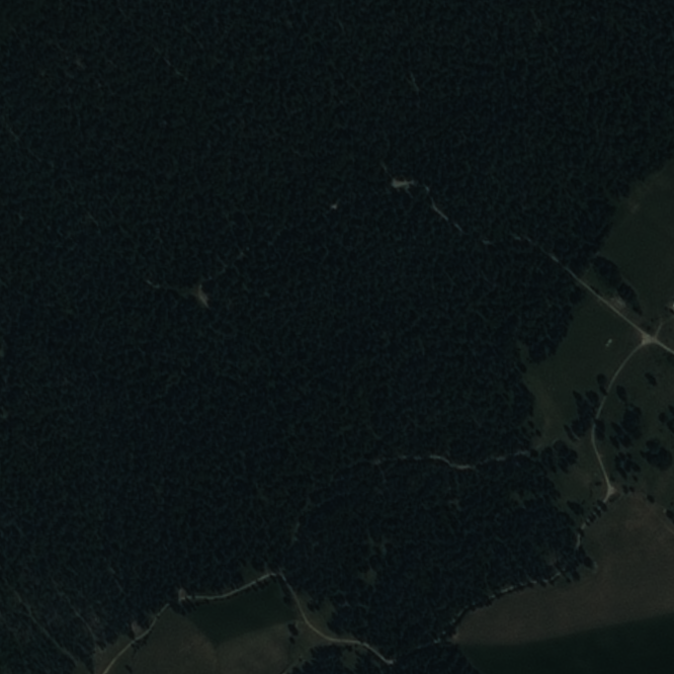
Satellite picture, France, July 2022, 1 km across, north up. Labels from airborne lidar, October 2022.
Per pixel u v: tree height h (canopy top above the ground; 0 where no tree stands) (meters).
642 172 13
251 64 12
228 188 18
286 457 25
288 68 15
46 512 22
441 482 19
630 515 0
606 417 0
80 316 10
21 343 18
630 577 0
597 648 0
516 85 11
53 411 24
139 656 0
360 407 21
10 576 12
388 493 20
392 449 18
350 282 26
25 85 17
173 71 10
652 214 0
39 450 20
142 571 20
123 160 12
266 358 8
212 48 20
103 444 27
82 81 10
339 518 16
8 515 31
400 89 16
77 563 25
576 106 29
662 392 0
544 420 0
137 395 27
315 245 26
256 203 11
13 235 15
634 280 0
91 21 15
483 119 23
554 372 0
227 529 29
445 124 20
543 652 0
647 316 0
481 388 33
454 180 17
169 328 13
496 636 0
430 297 20
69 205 9
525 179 19
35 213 11
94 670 0
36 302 22
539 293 23
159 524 23
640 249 0
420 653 12
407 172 25
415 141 16
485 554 15
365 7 14
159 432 31
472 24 18
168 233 20
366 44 17
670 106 18
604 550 0
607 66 21
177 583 23
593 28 16
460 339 11
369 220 12
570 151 25
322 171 6
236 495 22
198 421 17
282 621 0
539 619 0
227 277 8
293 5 9
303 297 16
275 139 19
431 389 26
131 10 7
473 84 16
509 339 21
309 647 0
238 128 19
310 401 19
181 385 21
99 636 0
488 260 13
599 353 0
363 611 15
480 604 16
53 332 17
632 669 0
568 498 0
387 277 17
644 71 31
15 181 15
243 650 0
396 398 18
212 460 17
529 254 20
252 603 0
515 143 19
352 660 0
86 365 30
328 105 20
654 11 13
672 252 0
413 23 24
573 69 17
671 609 0
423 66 12
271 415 25
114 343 18
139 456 27
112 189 19
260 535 23
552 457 10
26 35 19
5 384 24
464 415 14
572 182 17
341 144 21
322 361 16
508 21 26
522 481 17
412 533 24
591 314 0
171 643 0
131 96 17
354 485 9
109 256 11
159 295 24
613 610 0
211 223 18
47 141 12
